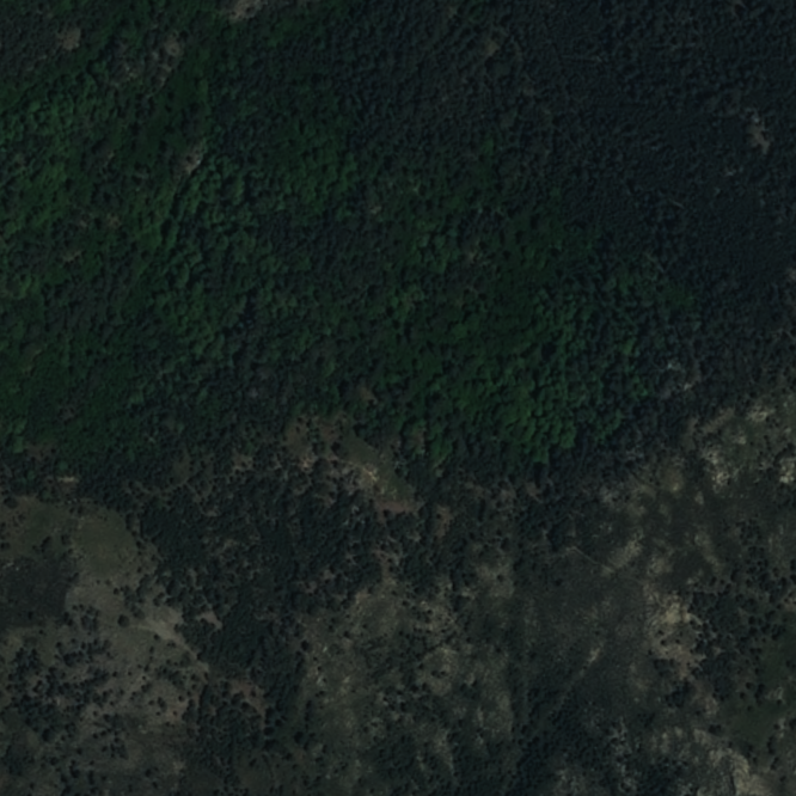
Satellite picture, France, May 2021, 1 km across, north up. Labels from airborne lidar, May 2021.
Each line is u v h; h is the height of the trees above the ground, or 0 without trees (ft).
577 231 39
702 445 28
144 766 0
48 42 56
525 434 92
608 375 44
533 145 127
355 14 85
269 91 78
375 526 80
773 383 53
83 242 46
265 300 45
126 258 72
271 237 65
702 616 52
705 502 0
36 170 65
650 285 34
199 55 62
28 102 47
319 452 52
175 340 46
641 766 36
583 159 56
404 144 82
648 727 35
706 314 69
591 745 26
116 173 83
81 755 69
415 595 27
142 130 135
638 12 60
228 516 83
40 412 44
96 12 83
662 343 27
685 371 37
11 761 41
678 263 44
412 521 55
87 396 43
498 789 48
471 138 59
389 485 0
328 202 67
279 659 78
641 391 50
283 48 74
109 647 31
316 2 69
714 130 29
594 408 66
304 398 53
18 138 62
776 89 55
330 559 58
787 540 0
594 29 59
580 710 30
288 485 39
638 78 30
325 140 86
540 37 77
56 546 0
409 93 62
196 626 24
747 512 0
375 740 37
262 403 37
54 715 88
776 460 27
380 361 88
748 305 81
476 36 80
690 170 53
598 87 35
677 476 0
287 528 52
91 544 0
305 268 45
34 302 36
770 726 0
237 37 76
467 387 72
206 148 25
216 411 28
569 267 51
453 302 44
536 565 36
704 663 41
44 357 39
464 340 56
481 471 55
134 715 0
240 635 52
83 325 116
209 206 89
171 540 42
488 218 69
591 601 0
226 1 102
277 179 59
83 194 39
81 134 60
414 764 50
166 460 36
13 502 42
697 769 0
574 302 50
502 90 83
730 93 69
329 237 88
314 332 44
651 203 67
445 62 57
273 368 43
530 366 52
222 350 20
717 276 53
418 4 87
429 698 37
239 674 36
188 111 88
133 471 39
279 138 54
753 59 52
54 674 76
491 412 41
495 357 44
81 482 33
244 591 52
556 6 49
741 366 70
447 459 29
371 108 94
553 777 36
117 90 21
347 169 60
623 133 52
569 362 62
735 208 45
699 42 72
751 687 49
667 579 0
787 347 25
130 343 39
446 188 50
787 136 45
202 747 31
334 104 66
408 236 53
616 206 49
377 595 66
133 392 38
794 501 23
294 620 99
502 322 88
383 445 89
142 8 56
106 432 39
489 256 75
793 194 26
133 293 58
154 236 75
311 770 0
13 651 0
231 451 41
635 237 41
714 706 0
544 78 67
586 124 73
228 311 43
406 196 45
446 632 41
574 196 53
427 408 44
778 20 69
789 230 28
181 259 69
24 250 35
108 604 0
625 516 0
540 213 48
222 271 59
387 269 56
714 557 0
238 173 50
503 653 68
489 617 21
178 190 40
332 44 73
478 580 95
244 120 42
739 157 27
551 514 84
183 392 39
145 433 33
